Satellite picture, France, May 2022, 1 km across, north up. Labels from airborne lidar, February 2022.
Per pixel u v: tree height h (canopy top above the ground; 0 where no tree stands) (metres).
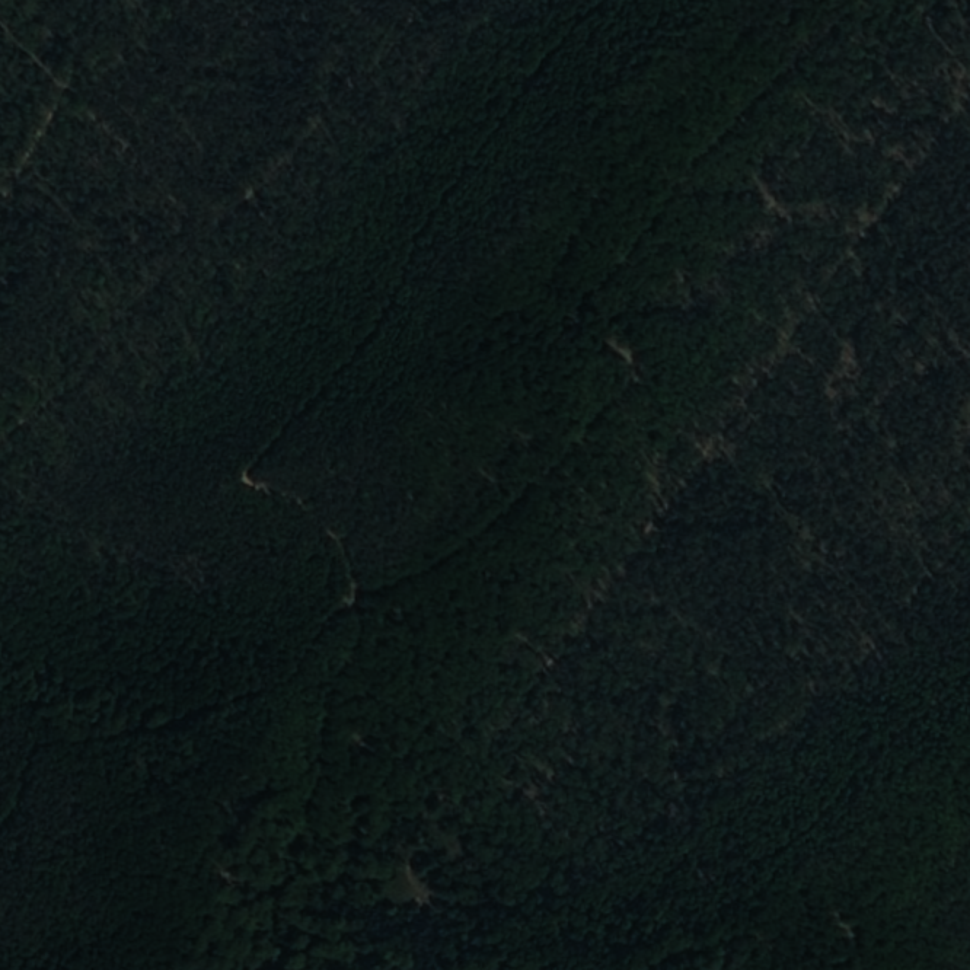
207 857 33
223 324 31
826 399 25
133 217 8
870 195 26
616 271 31
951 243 34
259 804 31
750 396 29
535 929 31
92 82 23
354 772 37
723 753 31
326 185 27
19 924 23
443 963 38
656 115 32
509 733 30
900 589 33
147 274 30
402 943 37
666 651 31
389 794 31
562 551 32
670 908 29
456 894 30
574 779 29
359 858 37
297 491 18
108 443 26
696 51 26
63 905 24
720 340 27
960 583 32
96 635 35
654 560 30
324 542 24
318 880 9
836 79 24
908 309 30
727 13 17
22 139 28
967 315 25
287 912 42
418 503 18
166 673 35
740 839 28
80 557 29
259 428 24
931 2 10
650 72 22
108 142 30
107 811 24
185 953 36
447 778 31
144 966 28
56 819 26
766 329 23
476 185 22
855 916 28
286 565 29
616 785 27
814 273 25
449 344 30
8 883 25
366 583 20
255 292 28
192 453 24
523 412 20
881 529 32
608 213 36
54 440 26
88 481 28
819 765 23
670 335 31
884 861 21
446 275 23
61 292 24
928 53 27
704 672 28
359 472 18
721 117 26
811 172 25
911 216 26
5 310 32
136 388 29
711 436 25
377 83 28
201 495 18
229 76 7
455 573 31
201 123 30
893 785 19
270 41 11
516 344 36
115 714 36
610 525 30
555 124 25
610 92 25
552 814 29
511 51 28
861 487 30
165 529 26
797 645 30
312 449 21
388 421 22
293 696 22
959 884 27
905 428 26
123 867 30
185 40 19
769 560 33
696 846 35
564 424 33
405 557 24
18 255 25
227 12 21
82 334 31
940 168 32
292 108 31
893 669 30
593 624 29
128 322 31
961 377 30
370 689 33
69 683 34
